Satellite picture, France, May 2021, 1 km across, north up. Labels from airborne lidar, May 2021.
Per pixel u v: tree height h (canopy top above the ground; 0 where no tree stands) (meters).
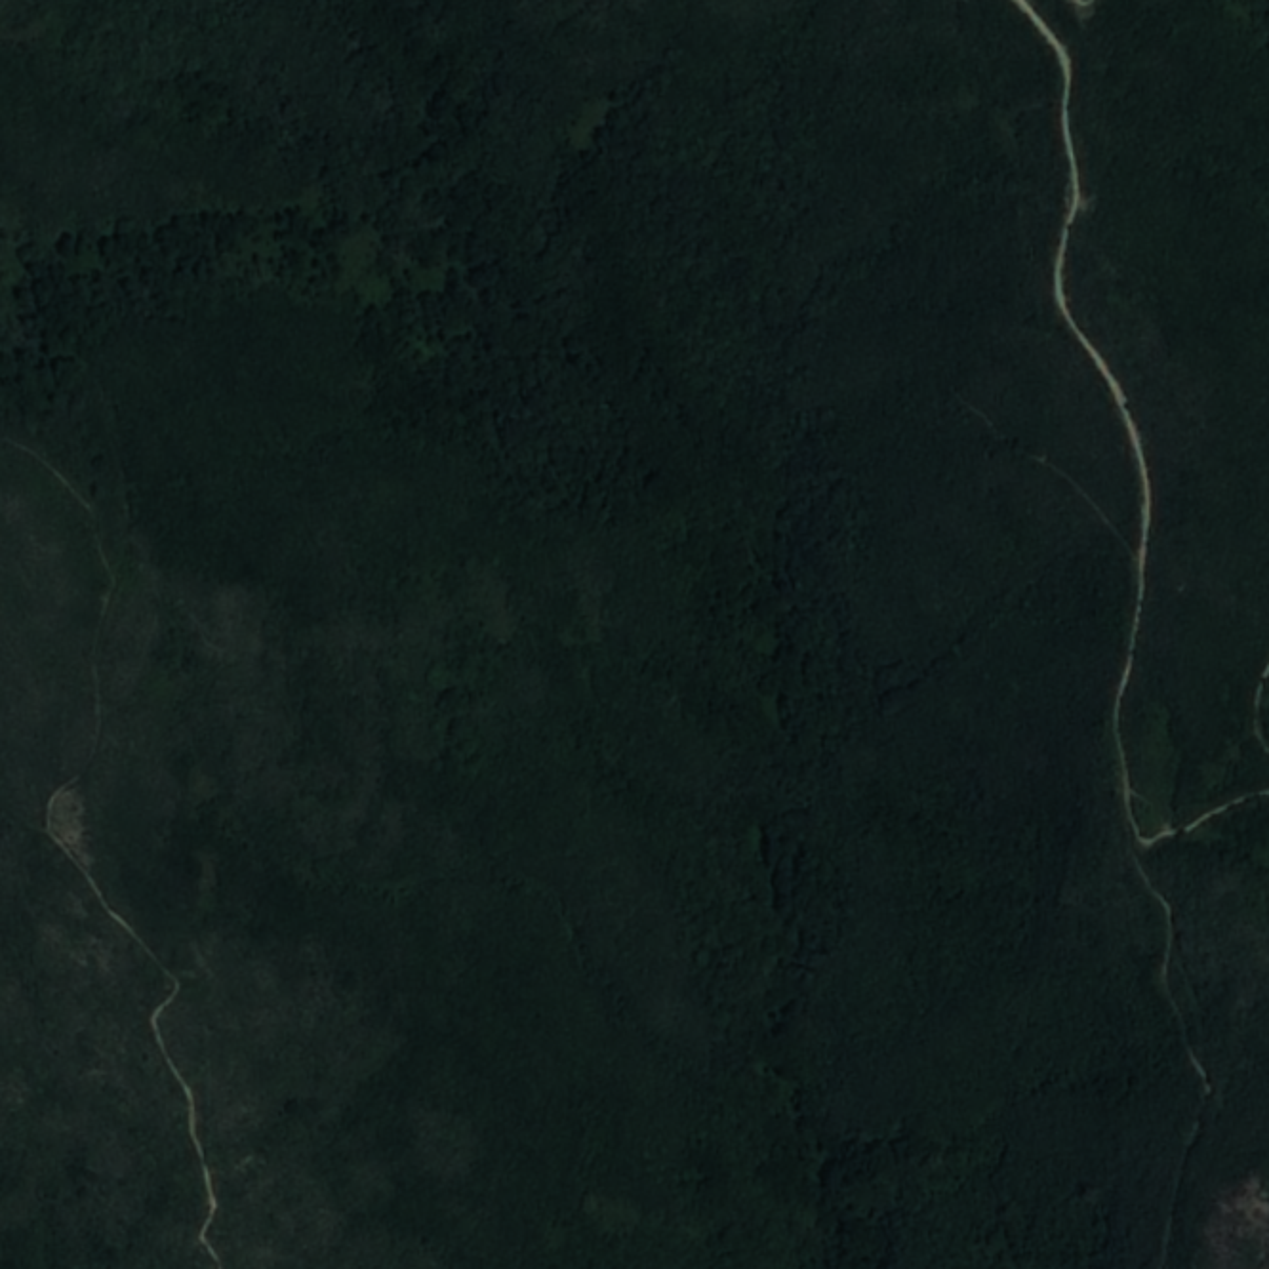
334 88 9
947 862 8
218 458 7
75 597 0
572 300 20
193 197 6
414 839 6
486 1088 7
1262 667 7
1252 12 7
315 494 6
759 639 15
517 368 23
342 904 6
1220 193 9
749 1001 22
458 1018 7
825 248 6
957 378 6
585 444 15
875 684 17
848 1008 6
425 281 0
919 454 7
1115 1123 7
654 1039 12
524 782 7
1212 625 6
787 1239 7
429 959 6
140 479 7
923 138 6
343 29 13
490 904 7
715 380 15
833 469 15
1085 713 5
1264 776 7
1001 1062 6
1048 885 7
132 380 6
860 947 9
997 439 6
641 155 17
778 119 16
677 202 14
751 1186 12
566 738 9
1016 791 5
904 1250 10
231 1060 0
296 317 6
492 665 13
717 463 19
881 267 7
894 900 7
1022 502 6
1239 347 8
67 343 7
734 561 20
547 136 6
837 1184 20
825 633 16
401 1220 6
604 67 5
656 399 26
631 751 7
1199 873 6
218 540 8
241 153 10
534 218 9
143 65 17
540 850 7
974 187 11
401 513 6
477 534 7
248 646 0
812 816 20
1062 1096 10
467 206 30
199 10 9
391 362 9
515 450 15
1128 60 6
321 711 5
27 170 5
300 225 20
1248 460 7
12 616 0
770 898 23
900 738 8
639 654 9
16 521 0
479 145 15
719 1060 12
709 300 15
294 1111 14
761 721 24
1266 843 8
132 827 0
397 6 22
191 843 6
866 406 7
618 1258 6
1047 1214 7
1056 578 7
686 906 13
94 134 6
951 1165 6
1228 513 6
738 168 18
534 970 8
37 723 0
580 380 27
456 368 19
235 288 8
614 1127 8
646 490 20
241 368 7
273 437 6
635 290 20
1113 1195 8
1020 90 6
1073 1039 7
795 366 12
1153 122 6
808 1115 18
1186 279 6
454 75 11
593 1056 6
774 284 23
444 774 11
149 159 6
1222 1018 6
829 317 6
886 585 6
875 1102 7
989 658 6
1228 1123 5
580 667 8
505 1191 6
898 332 7
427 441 8
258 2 8
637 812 12
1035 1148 8
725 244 14
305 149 25
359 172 24
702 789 9
